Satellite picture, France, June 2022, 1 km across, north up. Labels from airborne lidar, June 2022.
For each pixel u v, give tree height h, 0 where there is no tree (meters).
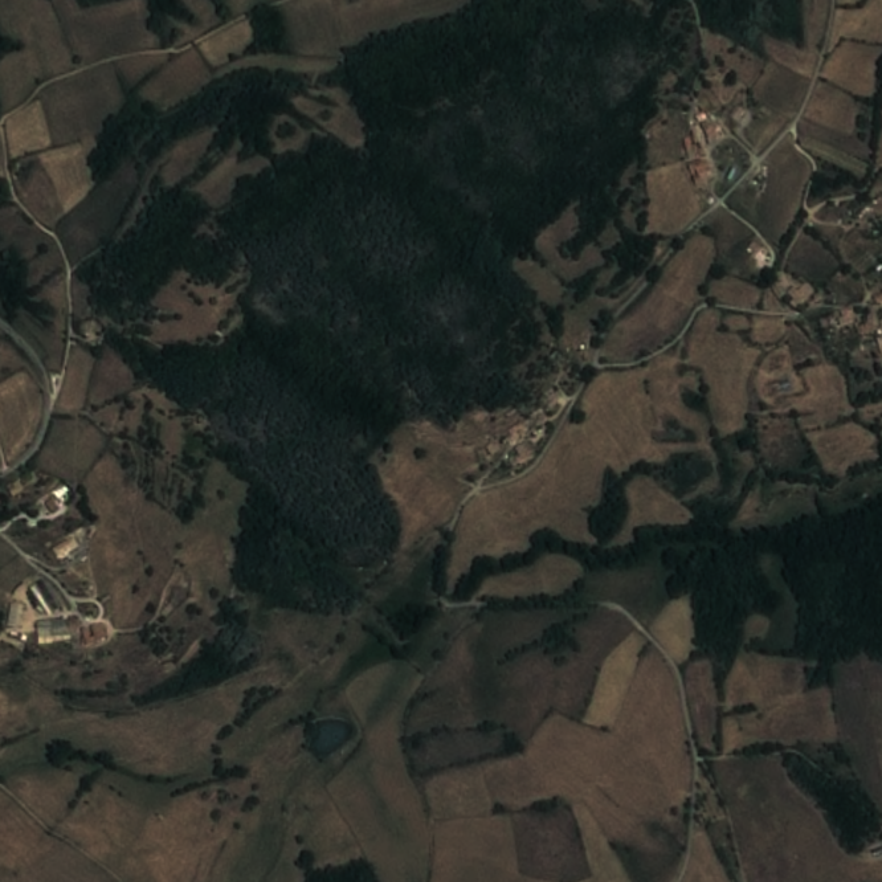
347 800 0
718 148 0
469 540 0
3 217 0
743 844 0
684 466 9
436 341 9
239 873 0
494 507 0
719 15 7
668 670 0
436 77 8
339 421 20
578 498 0
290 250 11
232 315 9
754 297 0
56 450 0
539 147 7
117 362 0
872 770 0
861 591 7
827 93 0
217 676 12
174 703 0
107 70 0
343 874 7
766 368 0
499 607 11
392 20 0
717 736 7
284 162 11
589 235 12
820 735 0
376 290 6
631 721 0
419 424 0
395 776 0
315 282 9
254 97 15
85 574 0
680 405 0
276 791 0
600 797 0
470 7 10
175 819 0
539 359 7
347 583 16
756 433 6
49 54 0
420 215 14
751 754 10
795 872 0
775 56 0
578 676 0
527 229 12
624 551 22
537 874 0
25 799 0
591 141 9
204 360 14
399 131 14
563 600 14
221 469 0
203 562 0
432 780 0
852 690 0
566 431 0
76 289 0
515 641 0
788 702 0
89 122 0
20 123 0
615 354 0
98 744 0
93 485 0
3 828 0
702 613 8
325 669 0
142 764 0
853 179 8
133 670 0
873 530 17
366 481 6
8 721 0
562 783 0
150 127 8
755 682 0
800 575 13
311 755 0
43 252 10
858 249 0
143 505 0
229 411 13
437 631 0
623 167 9
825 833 0
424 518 0
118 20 0
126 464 8
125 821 0
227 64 0
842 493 0
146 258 10
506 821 0
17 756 0
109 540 0
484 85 6
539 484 0
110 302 10
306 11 0
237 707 0
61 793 0
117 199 0
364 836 0
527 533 0
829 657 14
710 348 0
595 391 0
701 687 0
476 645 0
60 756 32
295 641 0
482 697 0
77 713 0
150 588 0
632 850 6
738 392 0
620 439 0
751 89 12
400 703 0
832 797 8
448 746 0
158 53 0
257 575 12
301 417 12
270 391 16
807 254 0
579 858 0
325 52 0
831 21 0
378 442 9
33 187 0
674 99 0
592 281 5
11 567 0
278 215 7
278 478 13
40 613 0
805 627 7
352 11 0
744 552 14
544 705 0
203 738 0
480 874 0
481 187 8
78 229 0
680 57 10
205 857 0
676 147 0
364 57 10
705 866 0
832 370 0
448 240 16
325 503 12
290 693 0
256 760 0
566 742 0
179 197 9
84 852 0
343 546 8
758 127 0
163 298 0
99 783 0
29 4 0
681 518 0
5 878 0
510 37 7
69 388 0
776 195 0
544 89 6
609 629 0
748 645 9
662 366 0
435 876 0
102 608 0
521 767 0
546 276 0
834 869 0
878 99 9
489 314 9
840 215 0
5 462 0
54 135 0
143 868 0
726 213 0
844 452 0
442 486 0
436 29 13
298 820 0
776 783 0
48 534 0
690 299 0
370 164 12
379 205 12
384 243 8
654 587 0
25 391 0
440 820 0
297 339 16
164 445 7
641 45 6
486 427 0
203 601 0
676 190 0
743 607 18
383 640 10
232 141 11
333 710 0
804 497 0
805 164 0
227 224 9
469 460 0
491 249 25
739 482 0
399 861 0
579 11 7
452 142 9
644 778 0
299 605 10
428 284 8
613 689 0
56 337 0
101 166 8
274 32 11
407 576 0
